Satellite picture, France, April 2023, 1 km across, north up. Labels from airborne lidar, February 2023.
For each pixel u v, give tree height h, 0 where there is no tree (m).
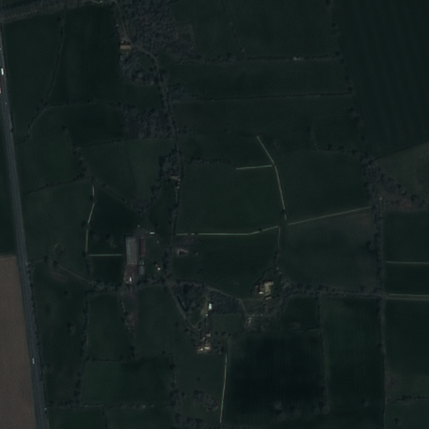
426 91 0
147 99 0
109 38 0
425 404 0
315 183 0
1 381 0
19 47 0
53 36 0
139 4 20
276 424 0
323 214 0
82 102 0
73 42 0
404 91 0
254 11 0
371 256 0
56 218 0
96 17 0
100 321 0
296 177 0
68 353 0
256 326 0
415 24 0
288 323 0
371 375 0
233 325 0
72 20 0
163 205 0
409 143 0
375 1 0
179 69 0
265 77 0
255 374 0
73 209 0
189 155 0
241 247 0
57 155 0
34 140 0
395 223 0
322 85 0
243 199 0
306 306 0
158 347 0
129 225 0
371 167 15
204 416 0
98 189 0
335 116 0
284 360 0
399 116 0
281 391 0
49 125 0
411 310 0
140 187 0
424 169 0
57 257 0
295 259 0
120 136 0
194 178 0
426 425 0
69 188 0
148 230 0
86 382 0
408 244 0
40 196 0
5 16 20
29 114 0
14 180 0
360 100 0
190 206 0
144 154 0
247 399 0
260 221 0
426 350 0
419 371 0
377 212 16
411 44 0
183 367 0
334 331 0
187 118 0
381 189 0
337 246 0
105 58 0
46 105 15
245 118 0
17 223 0
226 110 0
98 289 16
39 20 0
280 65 0
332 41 0
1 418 0
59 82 0
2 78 0
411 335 0
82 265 0
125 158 0
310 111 0
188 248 0
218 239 0
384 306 11
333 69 0
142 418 0
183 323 0
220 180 0
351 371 0
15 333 0
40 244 0
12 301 0
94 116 0
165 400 0
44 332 0
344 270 0
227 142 0
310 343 0
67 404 11
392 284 0
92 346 0
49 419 0
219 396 0
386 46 0
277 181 0
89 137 0
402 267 0
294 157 0
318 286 0
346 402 0
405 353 0
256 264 0
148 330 0
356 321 0
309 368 0
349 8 0
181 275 0
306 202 0
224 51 0
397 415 0
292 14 0
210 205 0
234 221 0
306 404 0
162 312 0
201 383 0
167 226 0
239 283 0
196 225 0
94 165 0
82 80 0
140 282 7
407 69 0
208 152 0
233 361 0
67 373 0
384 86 0
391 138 0
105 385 0
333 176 0
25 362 0
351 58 0
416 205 14
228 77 0
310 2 0
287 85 0
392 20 0
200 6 0
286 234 0
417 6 0
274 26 0
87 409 0
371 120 0
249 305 0
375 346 0
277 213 0
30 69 0
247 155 0
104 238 0
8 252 0
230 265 0
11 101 0
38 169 0
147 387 0
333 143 0
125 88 0
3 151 0
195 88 0
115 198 0
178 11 0
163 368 0
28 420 0
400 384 0
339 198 0
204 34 0
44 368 15
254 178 0
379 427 0
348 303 0
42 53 0
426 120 0
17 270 0
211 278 0
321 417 0
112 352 0
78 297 0
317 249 0
